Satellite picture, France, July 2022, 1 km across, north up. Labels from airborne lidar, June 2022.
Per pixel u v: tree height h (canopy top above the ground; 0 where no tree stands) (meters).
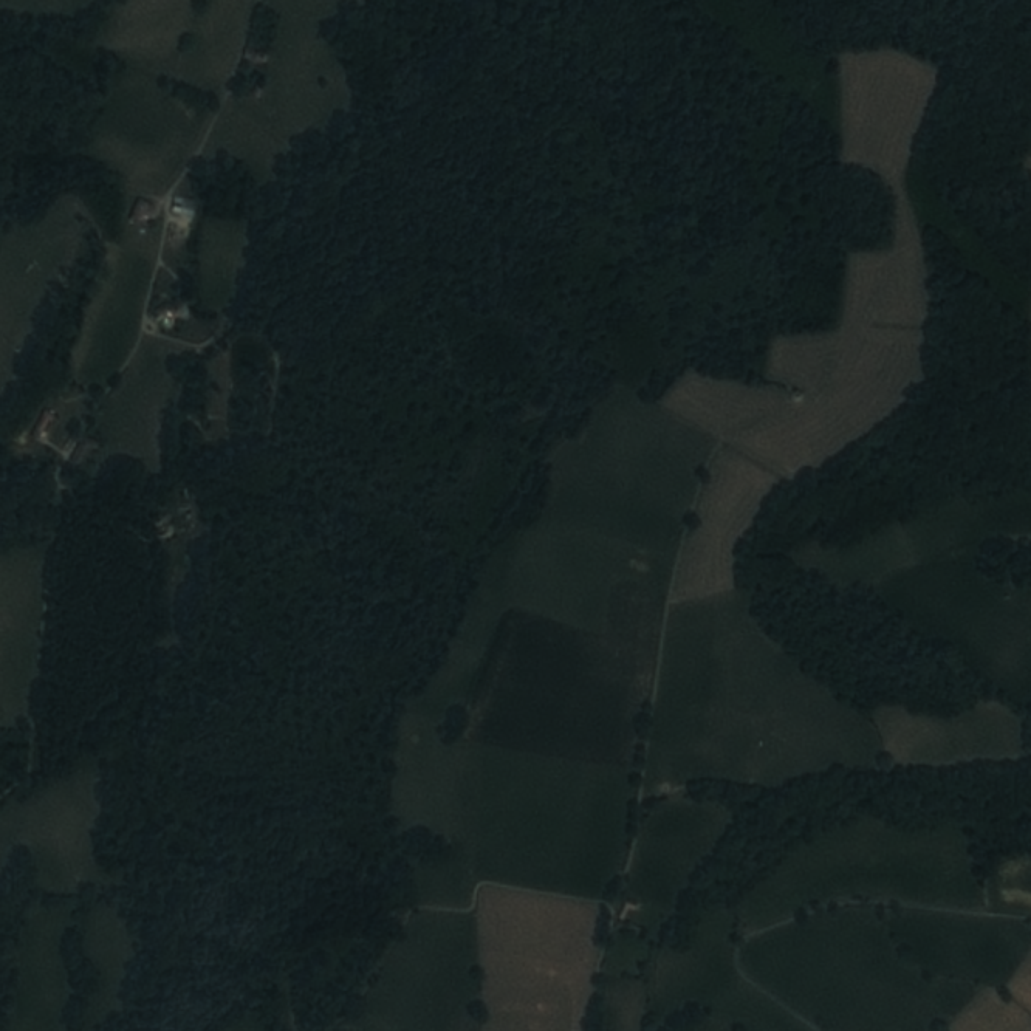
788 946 0
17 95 30
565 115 12
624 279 13
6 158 27
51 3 0
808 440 0
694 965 0
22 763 19
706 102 14
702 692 0
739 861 17
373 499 14
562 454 0
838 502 19
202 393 7
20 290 0
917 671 25
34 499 22
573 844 0
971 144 32
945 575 0
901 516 21
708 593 0
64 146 33
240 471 19
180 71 0
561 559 0
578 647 0
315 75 0
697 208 21
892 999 0
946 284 14
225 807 12
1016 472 19
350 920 28
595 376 14
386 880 20
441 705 0
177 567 0
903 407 11
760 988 0
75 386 10
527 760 0
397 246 20
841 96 0
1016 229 21
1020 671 0
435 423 7
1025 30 22
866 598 20
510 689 0
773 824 27
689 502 0
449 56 24
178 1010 24
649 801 10
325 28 20
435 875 0
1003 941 0
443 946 0
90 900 14
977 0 22
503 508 11
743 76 9
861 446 11
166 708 26
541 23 26
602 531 0
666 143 15
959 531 0
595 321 8
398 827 11
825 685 13
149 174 0
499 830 0
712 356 16
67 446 0
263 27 7
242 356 0
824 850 0
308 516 26
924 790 19
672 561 0
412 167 19
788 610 22
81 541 21
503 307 24
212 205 24
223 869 23
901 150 0
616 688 0
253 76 9
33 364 28
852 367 0
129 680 15
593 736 0
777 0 9
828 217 13
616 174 7
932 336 16
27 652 0
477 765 0
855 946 0
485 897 0
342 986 17
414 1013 0
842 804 25
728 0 0
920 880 0
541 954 0
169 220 0
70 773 16
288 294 21
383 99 23
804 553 0
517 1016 0
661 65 32
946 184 19
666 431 0
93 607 16
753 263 6
